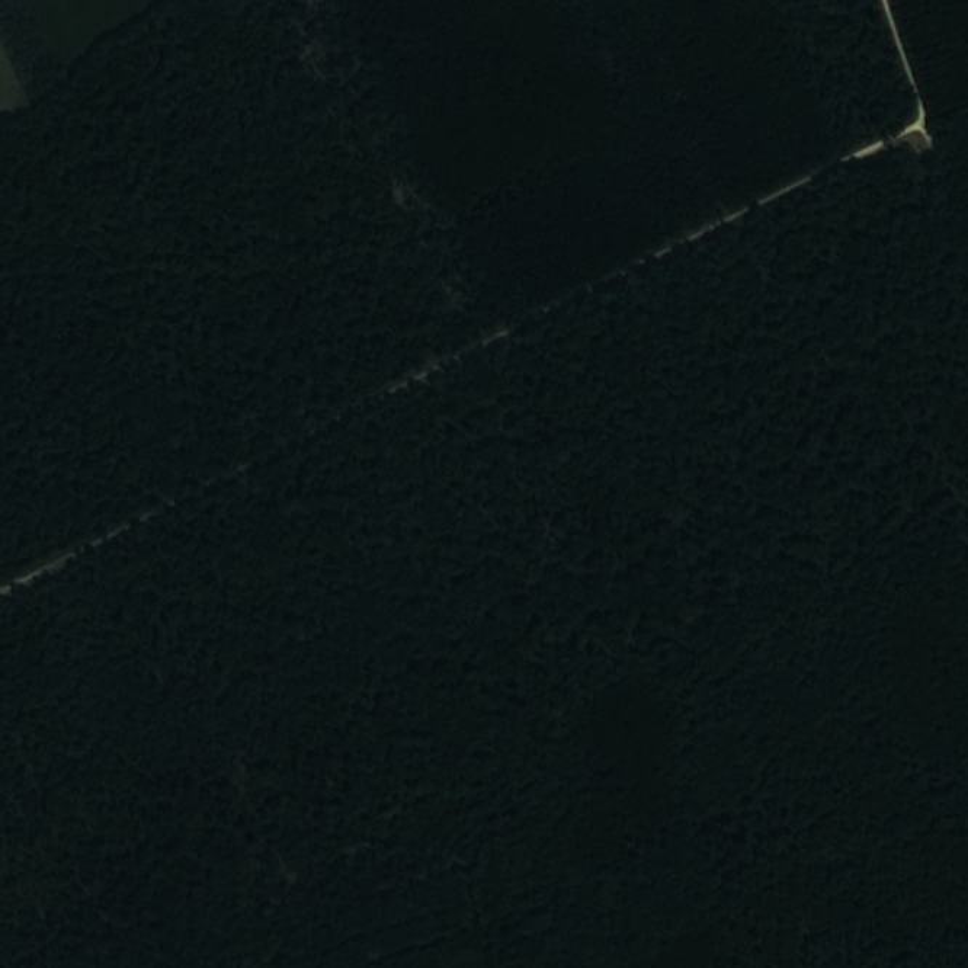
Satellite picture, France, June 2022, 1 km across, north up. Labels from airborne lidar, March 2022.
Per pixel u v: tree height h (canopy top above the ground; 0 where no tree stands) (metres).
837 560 22
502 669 22
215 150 20
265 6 18
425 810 12
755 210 18
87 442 23
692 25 17
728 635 20
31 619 7
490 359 19
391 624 19
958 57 7
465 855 20
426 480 20
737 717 20
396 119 18
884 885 6
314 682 17
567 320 17
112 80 18
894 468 23
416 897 18
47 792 19
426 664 21
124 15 0
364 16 17
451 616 19
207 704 18
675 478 23
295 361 24
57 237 22
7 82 0
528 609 19
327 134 19
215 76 14
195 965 16
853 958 18
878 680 17
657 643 19
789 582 21
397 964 12
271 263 23
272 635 24
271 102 18
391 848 19
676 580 16
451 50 17
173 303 22
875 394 20
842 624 15
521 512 20
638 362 23
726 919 16
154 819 19
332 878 19
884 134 20
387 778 16
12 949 12
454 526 21
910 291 21
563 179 15
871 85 17
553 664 19
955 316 24
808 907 7
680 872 15
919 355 21
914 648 11
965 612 10
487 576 18
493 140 14
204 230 19
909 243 21
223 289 21
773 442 21
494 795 21
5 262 21
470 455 19
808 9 19
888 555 20
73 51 0
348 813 18
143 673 18
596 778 13
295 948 17
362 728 17
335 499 21
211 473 21
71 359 20
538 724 21
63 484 22
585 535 21
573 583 22
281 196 19
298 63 23
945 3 7
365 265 6
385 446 21
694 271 19
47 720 18
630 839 21
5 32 7
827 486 19
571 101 13
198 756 15
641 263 0
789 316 20
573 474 21
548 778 19
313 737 21
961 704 11
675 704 18
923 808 20
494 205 18
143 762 16
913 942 15
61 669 17
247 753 22
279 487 21
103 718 19
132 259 20
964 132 17
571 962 18
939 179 21
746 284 21
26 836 15
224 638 21
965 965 22
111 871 17
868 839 6
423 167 20
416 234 14
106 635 22
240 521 19
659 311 21
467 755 18
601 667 16
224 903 17
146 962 15
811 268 10
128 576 7
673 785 9
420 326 20
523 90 14
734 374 25
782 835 18
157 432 19
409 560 21
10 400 19
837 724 18
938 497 23
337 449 23
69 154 19
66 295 18
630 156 16
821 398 21
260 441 21
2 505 20
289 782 14
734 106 16
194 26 21
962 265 17
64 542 17
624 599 12
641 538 8
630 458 24
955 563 18
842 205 19
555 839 11
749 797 20
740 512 20
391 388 0
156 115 16
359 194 14
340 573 18
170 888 20
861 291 23
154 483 24
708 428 24
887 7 0
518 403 21
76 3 0
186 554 18
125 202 17
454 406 23
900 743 12
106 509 21
